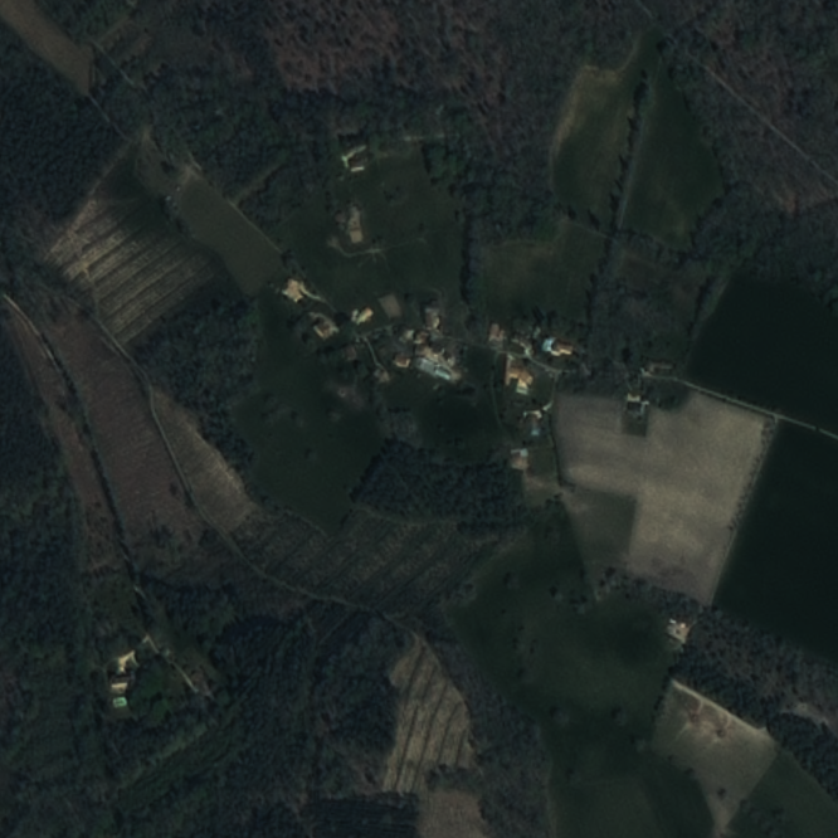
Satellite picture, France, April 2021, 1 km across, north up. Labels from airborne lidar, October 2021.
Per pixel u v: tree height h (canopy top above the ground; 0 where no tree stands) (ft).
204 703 54
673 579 0
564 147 0
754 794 0
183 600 68
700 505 0
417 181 0
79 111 39
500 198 88
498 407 0
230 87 52
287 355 0
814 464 0
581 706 0
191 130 55
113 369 0
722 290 55
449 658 65
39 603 73
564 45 46
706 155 0
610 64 69
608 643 0
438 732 0
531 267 0
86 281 0
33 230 89
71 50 0
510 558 0
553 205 67
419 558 22
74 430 80
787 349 0
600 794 0
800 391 0
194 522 69
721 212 61
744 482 0
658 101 0
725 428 0
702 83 58
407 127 76
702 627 31
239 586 23
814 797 0
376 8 34
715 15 60
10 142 84
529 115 44
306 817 34
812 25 64
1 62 73
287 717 90
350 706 81
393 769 0
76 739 33
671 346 20
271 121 30
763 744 0
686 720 0
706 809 0
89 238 0
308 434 0
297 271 38
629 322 53
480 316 49
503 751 61
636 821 0
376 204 0
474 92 61
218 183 64
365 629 32
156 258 0
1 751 72
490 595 0
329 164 32
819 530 0
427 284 0
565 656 0
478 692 59
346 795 64
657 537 0
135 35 45
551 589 0
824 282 72
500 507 60
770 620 0
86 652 63
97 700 35
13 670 32
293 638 64
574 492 20
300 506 0
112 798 38
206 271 0
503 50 34
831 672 35
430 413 0
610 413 0
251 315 72
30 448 79
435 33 38
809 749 54
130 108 80
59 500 21
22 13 0
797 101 54
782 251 73
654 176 0
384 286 0
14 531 34
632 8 55
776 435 19
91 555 25
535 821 62
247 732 31
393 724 61
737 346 0
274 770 87
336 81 28
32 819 72
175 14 18
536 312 0
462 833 0
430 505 46
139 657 33
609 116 0
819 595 0
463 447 31
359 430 0
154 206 0
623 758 0
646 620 0
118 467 0
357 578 25
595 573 0
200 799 82
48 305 88
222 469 0
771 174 53
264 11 73
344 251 0
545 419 27
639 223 0
